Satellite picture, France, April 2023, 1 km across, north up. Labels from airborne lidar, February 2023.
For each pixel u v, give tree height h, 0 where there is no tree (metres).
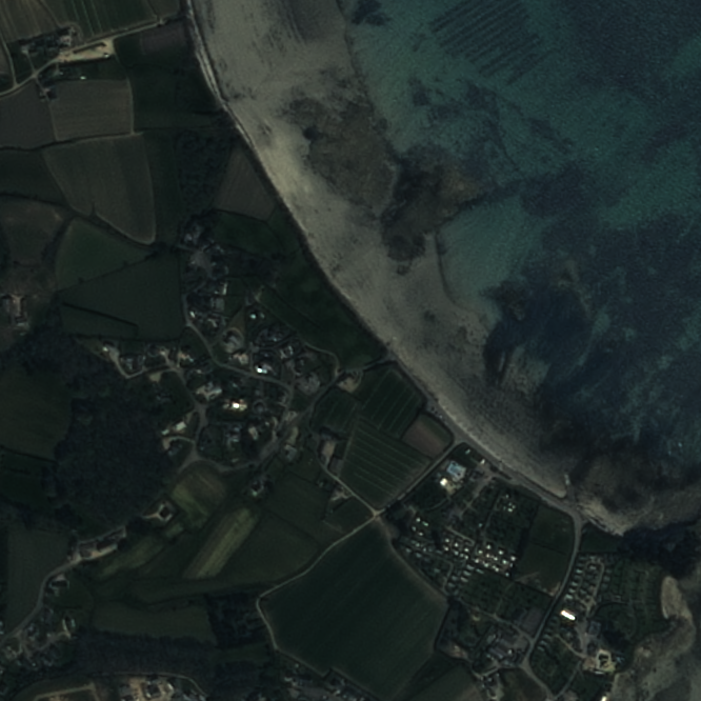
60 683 0
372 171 0
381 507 0
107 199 0
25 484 0
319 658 0
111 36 0
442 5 0
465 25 0
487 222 0
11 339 0
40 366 22
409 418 0
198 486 0
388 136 0
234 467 7
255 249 0
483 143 0
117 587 0
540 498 0
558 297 0
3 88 0
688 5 0
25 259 0
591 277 0
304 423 0
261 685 11
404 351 0
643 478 0
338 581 0
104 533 0
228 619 13
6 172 0
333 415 0
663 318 0
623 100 0
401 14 0
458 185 0
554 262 0
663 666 0
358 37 0
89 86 0
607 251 0
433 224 0
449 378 0
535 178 0
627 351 0
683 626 0
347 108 0
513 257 0
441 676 0
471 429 0
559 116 0
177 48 0
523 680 0
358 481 0
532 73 0
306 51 0
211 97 0
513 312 0
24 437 0
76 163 0
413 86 0
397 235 0
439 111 0
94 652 17
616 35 0
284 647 0
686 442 0
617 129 0
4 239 9
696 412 0
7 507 21
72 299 0
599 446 0
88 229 0
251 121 0
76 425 14
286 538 0
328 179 0
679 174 0
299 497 0
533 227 0
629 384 0
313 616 0
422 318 0
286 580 0
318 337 0
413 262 0
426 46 0
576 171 0
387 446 0
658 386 0
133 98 0
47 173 0
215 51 0
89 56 0
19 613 0
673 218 0
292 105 0
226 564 0
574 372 0
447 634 7
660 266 0
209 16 0
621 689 0
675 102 0
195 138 7
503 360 0
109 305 0
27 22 0
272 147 0
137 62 0
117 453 21
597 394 0
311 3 0
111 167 0
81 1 0
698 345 0
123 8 0
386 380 0
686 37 0
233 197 0
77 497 21
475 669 11
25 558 0
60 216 0
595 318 0
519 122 0
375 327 0
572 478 0
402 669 0
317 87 0
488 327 0
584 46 0
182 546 0
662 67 0
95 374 18
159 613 0
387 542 0
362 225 0
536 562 0
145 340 0
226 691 20
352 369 0
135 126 0
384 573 0
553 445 0
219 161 6
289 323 0
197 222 8
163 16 0
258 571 0
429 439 0
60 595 0
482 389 0
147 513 0
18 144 0
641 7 0
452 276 0
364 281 0
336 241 0
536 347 0
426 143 0
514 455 0
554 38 0
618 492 0
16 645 0
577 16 0
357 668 0
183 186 9
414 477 0
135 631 0
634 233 0
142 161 0
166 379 10
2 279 7
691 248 0
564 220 0
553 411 0
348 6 0
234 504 0
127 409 14
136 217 0
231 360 0
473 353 0
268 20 0
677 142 0
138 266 0
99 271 0
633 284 0
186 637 0
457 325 0
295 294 0
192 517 0
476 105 0
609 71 0
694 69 0
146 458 20
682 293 0
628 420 0
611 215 0
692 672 0
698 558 0
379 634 0
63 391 0
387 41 0
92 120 0
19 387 0
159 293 0
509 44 0
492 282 0
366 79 0
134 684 0
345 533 0
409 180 0
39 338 14
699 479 0
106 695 0
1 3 0
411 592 0
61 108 0
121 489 19
